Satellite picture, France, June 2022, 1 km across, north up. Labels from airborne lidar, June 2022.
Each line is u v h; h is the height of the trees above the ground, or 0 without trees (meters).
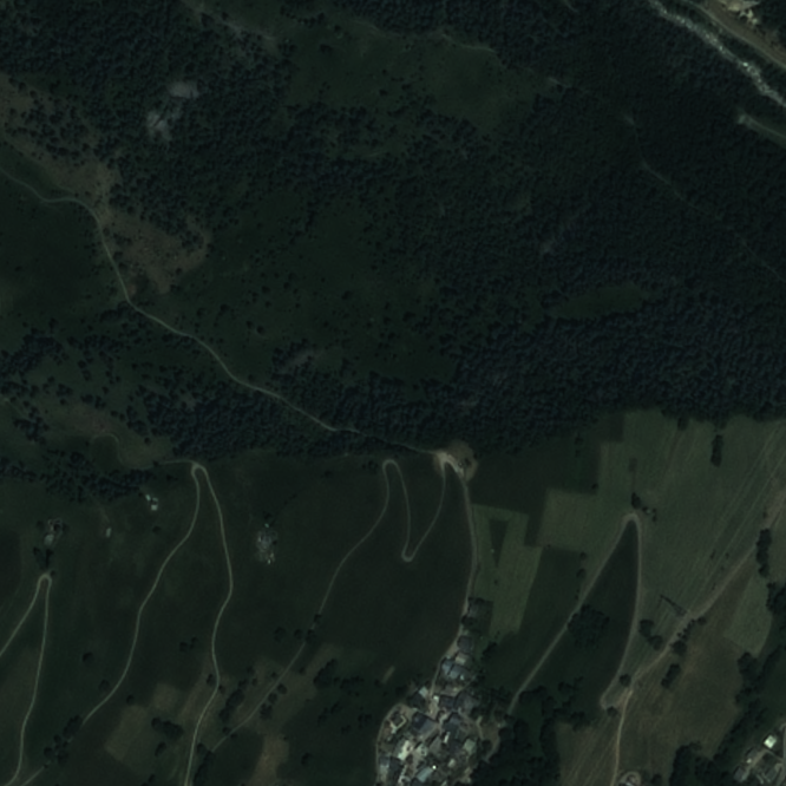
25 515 0
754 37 0
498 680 0
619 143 9
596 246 25
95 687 0
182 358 0
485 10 26
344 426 13
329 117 15
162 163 14
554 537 0
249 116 27
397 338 13
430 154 16
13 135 10
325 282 10
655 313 25
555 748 22
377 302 0
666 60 29
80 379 0
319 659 0
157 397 18
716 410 14
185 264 0
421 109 13
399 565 0
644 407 13
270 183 8
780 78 14
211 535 0
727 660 0
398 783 0
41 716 0
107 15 15
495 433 20
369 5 29
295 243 19
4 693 0
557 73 18
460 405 22
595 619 16
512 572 0
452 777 9
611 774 0
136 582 0
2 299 0
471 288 17
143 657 0
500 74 8
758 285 19
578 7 18
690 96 16
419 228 12
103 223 0
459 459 0
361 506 0
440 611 0
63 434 0
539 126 20
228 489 0
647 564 0
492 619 0
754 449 0
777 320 21
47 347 25
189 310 0
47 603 0
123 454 0
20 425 22
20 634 0
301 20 7
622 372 29
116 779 0
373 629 0
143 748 0
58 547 0
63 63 22
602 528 0
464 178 13
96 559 0
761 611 0
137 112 10
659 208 22
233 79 10
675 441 0
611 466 0
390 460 0
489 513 0
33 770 0
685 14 23
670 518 0
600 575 0
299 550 0
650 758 0
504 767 22
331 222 0
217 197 13
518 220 6
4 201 0
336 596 0
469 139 20
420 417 18
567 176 13
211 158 10
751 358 22
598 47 12
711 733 0
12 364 10
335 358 0
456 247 11
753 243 17
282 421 22
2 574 0
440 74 0
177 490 0
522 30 23
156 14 20
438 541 0
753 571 0
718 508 0
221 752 0
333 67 0
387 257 8
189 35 15
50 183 0
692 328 27
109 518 0
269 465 0
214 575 0
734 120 12
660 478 0
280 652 0
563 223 26
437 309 15
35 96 16
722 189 23
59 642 0
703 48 16
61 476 11
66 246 0
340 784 0
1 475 18
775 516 0
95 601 0
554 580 0
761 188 23
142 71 21
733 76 16
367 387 9
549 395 24
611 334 17
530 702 19
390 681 0
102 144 7
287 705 0
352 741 0
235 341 0
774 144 18
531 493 0
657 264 19
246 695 14
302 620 0
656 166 20
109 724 0
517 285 18
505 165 10
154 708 0
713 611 0
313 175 20
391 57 0
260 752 0
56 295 0
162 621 0
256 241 0
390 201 12
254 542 0
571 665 0
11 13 17
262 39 14
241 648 0
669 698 0
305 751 0
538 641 0
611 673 0
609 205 26
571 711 17
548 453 0
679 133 23
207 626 0
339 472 0
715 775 19
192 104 18
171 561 0
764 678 14
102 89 21
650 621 9
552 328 22
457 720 0
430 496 0
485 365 29
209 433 23
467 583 0
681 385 29
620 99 6
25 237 0
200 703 0
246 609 0
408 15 31
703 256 26
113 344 11
